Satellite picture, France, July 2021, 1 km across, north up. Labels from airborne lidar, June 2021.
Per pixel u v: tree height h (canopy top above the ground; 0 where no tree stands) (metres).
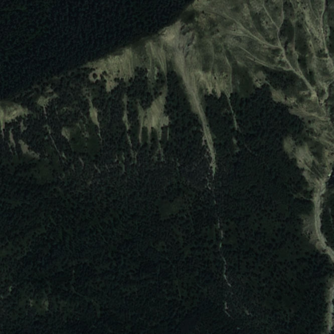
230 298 11
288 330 26
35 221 15
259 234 27
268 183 30
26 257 16
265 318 15
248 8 0
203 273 17
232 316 13
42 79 16
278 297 0
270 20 0
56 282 12
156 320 24
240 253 24
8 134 12
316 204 0
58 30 19
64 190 14
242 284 11
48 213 19
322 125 0
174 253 24
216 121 25
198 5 0
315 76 0
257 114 14
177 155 6
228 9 0
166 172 13
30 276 17
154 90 14
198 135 19
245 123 21
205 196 26
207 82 0
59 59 7
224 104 20
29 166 14
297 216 7
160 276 19
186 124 20
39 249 15
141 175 23
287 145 0
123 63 0
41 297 15
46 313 10
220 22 0
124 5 20
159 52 0
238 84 0
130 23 17
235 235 0
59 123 11
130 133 22
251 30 0
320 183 0
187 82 0
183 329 16
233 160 12
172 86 21
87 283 17
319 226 0
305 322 30
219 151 21
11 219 30
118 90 19
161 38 0
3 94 8
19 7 7
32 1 15
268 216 7
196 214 11
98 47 22
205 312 14
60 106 7
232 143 23
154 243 13
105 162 13
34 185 18
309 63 0
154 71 0
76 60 19
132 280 7
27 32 8
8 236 8
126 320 10
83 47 18
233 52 0
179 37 0
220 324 13
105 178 23
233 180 28
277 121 28
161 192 23
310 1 0
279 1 0
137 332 14
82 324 14
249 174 32
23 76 10
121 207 30
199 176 12
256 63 0
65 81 23
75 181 20
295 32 0
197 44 0
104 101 14
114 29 18
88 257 27
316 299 31
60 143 12
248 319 9
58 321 26
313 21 0
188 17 0
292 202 26
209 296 16
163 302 20
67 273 15
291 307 0
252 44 0
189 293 14
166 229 23
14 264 11
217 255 30
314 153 7
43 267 30
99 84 13
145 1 11
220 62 0
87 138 8
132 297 13
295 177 29
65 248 30
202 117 0
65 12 27
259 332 14
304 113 0
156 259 29
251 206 25
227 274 15
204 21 0
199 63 0
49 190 23
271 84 13
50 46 25
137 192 25
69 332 27
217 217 9
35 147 13
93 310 28
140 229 14
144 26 19
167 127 7
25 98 13
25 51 11
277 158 28
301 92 0
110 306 23
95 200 29
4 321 22
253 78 0
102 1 28
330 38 11
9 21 16
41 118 11
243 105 29
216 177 10
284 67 0
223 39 0
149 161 17
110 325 14
